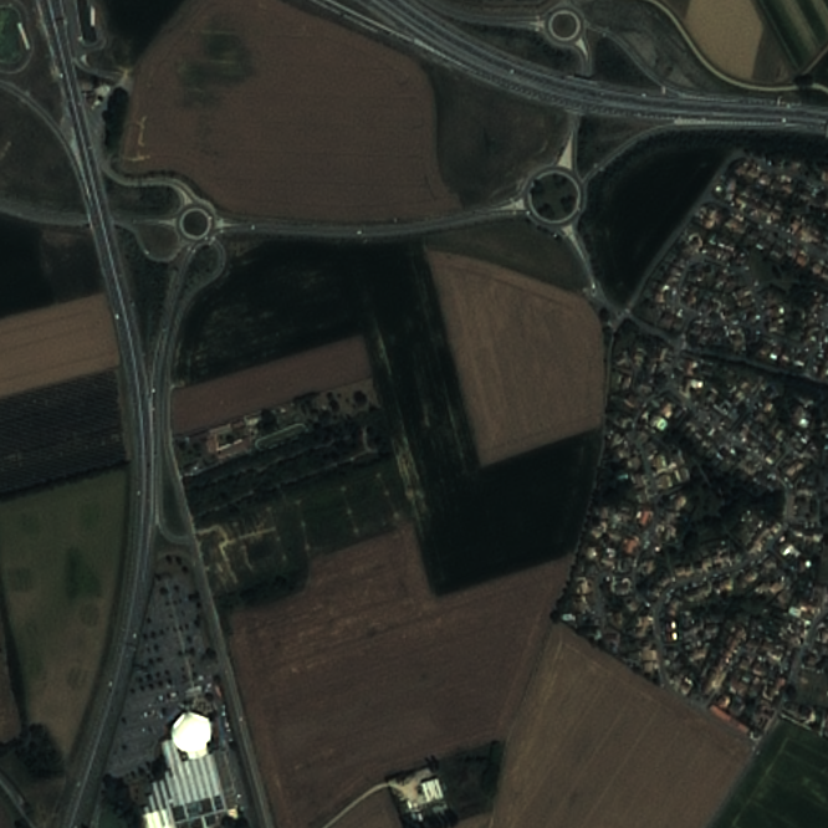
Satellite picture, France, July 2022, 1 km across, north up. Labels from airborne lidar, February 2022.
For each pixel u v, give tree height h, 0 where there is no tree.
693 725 0
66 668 0
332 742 0
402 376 0
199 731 0
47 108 0
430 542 0
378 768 0
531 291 0
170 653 0
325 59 0
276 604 0
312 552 0
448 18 0
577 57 0
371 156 0
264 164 0
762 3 0
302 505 0
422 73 0
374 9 0
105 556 0
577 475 0
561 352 0
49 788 0
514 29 0
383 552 0
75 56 0
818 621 0
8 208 0
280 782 0
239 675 0
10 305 0
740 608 7
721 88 0
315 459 9
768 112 0
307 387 0
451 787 0
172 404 0
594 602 0
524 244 0
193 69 0
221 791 0
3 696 0
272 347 0
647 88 0
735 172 7
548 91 0
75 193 0
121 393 0
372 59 0
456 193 0
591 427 0
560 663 0
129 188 0
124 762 0
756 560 0
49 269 0
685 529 7
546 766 0
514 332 0
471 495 0
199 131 0
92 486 0
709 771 0
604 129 0
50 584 0
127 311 0
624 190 0
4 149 0
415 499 0
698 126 0
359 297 0
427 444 0
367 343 0
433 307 0
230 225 0
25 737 6
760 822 0
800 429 6
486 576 0
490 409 0
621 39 0
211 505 6
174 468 0
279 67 0
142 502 0
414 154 0
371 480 0
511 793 0
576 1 0
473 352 0
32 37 0
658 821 0
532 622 0
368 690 0
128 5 0
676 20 0
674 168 0
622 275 0
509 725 0
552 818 0
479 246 0
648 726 0
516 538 0
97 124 0
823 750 0
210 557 0
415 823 9
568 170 0
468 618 0
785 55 0
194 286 0
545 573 0
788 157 10
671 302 0
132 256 0
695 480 15
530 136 0
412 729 0
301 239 0
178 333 0
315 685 0
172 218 0
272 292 0
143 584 0
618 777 0
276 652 0
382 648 0
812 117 0
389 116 0
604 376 0
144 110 0
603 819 0
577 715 0
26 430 0
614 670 0
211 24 0
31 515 0
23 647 0
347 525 0
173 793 0
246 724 0
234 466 8
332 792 0
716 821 0
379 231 0
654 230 0
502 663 0
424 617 0
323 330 0
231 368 0
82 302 0
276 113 0
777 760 0
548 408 0
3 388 0
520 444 0
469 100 0
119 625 0
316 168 0
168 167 0
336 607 0
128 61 0
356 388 0
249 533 0
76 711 0
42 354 0
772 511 14
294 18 0
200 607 10
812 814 0
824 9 0
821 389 13
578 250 0
